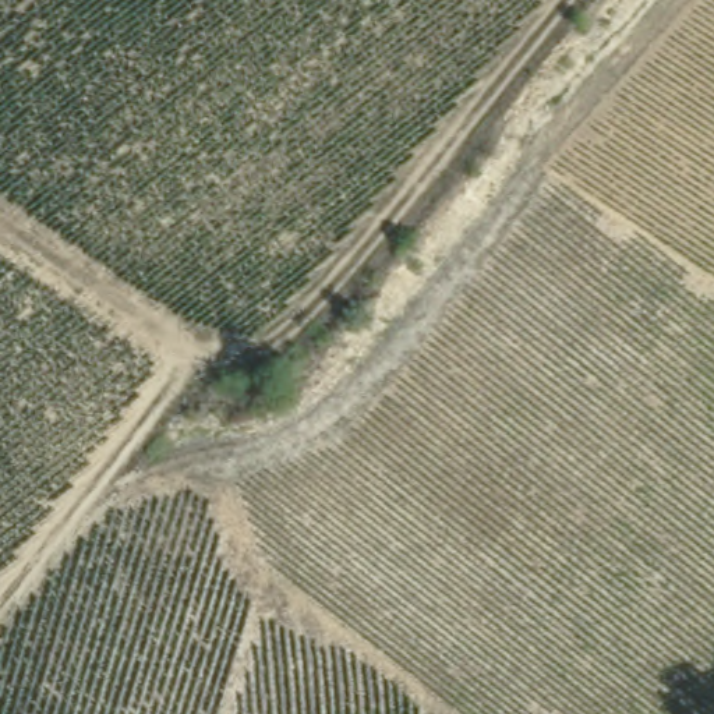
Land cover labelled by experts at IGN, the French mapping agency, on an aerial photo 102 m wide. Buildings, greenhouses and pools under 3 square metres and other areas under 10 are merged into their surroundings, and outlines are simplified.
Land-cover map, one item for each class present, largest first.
<instances>
[{"label":"vineyard","instance_id":"1","mask_svg":"<svg viewBox=\"0 0 714 714\"><path fill-rule=\"evenodd\" d=\"M541 0H0V192L11 204L22 206L33 220L61 234V240L78 245L86 257L106 265L120 282L137 287L151 301L165 304L184 324L212 326L218 329V335L226 326H237L251 340L254 332L279 318V312L287 307V298L307 284V273L329 257L335 243L349 234L351 223L363 212L379 209L390 201V195L399 190L393 179L396 170L413 159V151L424 139L435 134L441 117L455 112V100L477 84L480 70L499 56V47L519 31V22L538 8ZM337 432H343L340 446L307 452L304 457L284 463L282 469H262L243 483L240 494L248 502V519L254 524V536L259 538V549L268 558V563L279 575H284L298 591L315 600L324 611H329L337 622H343L371 647L382 650L396 667L418 678V683L430 694H435L430 714H714V276L703 268L686 276L683 268L655 257L644 240L633 237V223L614 209L602 212L600 223L594 226L583 215L569 209L558 195H549V201L522 223L519 240H513L508 251L494 262V271H488L483 279L460 284L443 301L435 332L418 335V346L404 351L402 363L390 368L382 379H377L349 416L337 418L332 427L318 432L324 441H332ZM153 360L145 349L131 346L126 337H117L106 324L89 321L78 304L61 298L50 284L33 279L20 265L0 257V572L14 561L17 549L33 536V527L50 516L42 508V499H59L61 494H67L73 477L86 469L89 455L106 441V432L120 424L123 410L134 404L139 388L151 379ZM220 536L215 530V519L209 516V499L198 496L195 491L184 488L173 496L142 499L139 508L106 510L103 522H95L86 536L75 538L73 549L61 555L56 569L45 572L39 591L28 597V602L20 611H14L11 625H0V714H218L245 630L251 600L237 588L229 569H223V561L218 555ZM254 669H245V692L237 694V714H418V706L407 697V692L399 689L396 681H388L365 661H357L354 653H346L337 644H318L315 639L296 636L273 619H262L259 644H251Z\"/></svg>","mask_w":714,"mask_h":714},{"label":"herbaceous vegetation","instance_id":"2","mask_svg":"<svg viewBox=\"0 0 714 714\"><path fill-rule=\"evenodd\" d=\"M393 179L399 190L390 195V201L379 209L363 212L351 223L349 234L335 243L329 257L307 273V284L287 298V307L279 312V318L254 332L251 340L237 326H226L218 335V329L212 326L184 324L165 304L151 301L137 287L120 282L106 265L86 257L78 245L61 240V234L33 220L22 206L11 204L0 192V257L20 265L33 279L50 284L61 298L78 304L89 321L106 324L117 337H126L131 346L145 349L153 360L151 379L139 388L134 404L123 410L120 424L106 432V441L89 455L86 469L73 477L67 494H61L59 499H42V508L50 516L33 527V536L17 549L14 561L0 572V625H11L14 611H20L28 602V597L39 591L45 572L56 569L61 555L73 549L75 538L86 536L95 522H103L106 510L139 508L142 499L173 496L184 488L195 491L198 496L209 499V516L215 519V530L220 536L218 555L223 561V569H229L237 588L251 600L245 630L218 714H237V694L245 692V669H254L251 644H259L262 619H273L296 636L315 639L318 644H337L346 653H354L357 661H365L388 681H396L399 689L407 692V697L418 706V714H430L435 694H430L418 683V678L396 667L382 650L371 647L343 622H337L329 611H324L315 600L298 591L284 575H279L268 563V558L259 549V538L254 536V524L248 519V502L240 494L243 483L262 469H282L284 463L304 457L307 452L340 446L343 432H337L332 441H324L318 432L332 427L337 418L349 416L377 379H382L390 368L402 363L404 351L418 346V335L435 332L443 301L460 284L483 279L488 271H494V262L508 251L513 240H519L522 223L549 201V195H558L569 209L583 215L594 226L600 223L602 212L614 209L633 223V237L644 240L655 257L683 268L686 276L703 268L714 276V0H541L538 8L519 22V31L499 47V56L480 70L477 84L455 100V112L441 117L435 134L424 139L413 151V159L396 170ZM385 220L410 226L418 234V243L413 248H402L396 257L385 245ZM365 262L385 279L379 296L374 298L371 324L357 332H337L332 337L324 354V371H312L307 388L290 410L271 413L265 418H240L234 424L220 421L234 399L215 388L218 379H223L226 374H248L273 365L276 360H282L276 349L284 340H293L304 329H310L326 310L343 324L346 312L351 310L343 301V293L351 276Z\"/></svg>","mask_w":714,"mask_h":714},{"label":"deciduous trees","instance_id":"3","mask_svg":"<svg viewBox=\"0 0 714 714\"><path fill-rule=\"evenodd\" d=\"M385 245L396 257L402 248H413L418 243V234L410 226L385 220ZM385 279L365 262L351 276L343 293V301L351 310L346 312L343 324L326 310L310 329H304L293 340H284L276 349L282 360H276L273 365L248 374H226L223 379H218L215 388L234 399L220 421L234 424L240 418H265L271 413L290 410L307 388L312 371H324V354L332 337L337 332H357L371 324L374 298L379 296Z\"/></svg>","mask_w":714,"mask_h":714}]
</instances>
